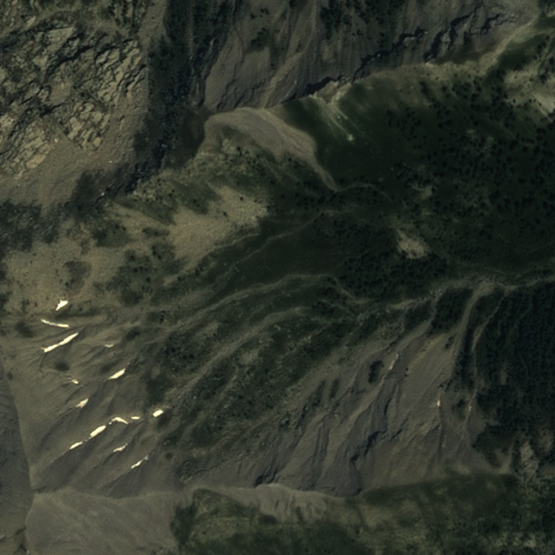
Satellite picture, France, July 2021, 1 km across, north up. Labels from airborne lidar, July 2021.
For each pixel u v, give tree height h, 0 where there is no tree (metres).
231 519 0
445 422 0
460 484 0
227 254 0
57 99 0
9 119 0
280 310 0
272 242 0
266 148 0
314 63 0
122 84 0
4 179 0
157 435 0
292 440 0
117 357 0
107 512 0
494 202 19
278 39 0
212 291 0
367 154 0
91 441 0
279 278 0
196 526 0
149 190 0
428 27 0
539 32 0
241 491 0
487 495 0
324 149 0
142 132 0
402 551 0
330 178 0
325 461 0
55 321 0
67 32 0
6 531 0
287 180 0
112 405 0
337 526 0
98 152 0
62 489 0
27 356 0
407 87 0
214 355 0
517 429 10
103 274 0
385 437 0
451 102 0
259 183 0
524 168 0
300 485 0
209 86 0
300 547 0
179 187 0
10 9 0
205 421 0
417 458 0
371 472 0
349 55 0
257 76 0
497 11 0
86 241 0
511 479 0
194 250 0
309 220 0
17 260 0
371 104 0
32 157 0
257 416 0
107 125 0
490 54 0
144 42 0
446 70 0
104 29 0
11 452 0
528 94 0
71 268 0
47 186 0
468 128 0
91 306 0
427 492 0
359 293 18
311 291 0
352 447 0
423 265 18
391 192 0
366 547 0
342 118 0
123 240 0
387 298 18
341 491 0
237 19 0
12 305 0
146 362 0
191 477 0
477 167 20
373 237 0
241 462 0
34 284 0
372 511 0
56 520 0
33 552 0
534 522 9
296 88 0
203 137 0
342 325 9
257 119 0
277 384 0
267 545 0
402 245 0
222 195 0
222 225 0
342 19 11
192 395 0
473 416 0
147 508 0
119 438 0
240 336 0
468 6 0
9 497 0
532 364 13
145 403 0
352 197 0
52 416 0
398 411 0
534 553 12
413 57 0
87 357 0
